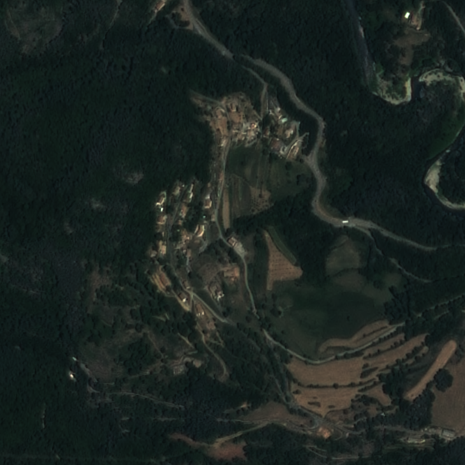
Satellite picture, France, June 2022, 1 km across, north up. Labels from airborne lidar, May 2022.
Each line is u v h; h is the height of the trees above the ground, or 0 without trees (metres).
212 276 0
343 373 0
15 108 16
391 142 18
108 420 22
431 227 23
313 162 0
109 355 0
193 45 20
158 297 19
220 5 8
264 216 17
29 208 12
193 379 14
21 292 8
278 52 18
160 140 7
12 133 16
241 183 0
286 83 0
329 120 16
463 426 0
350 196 24
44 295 9
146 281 15
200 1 11
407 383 0
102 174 12
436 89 8
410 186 7
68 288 17
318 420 0
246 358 17
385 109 21
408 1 0
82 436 21
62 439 20
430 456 12
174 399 13
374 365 0
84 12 18
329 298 0
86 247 20
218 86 13
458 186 18
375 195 22
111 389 13
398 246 22
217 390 14
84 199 13
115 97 20
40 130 17
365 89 22
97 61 21
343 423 0
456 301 13
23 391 21
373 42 20
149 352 15
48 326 30
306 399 0
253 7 18
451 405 0
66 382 11
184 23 13
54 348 20
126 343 0
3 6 18
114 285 12
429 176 0
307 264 9
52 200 12
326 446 7
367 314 0
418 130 19
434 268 17
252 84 8
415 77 0
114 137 20
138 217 21
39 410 11
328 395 0
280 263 0
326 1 14
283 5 13
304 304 0
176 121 18
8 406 16
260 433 8
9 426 15
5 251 11
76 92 41
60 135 15
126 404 8
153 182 18
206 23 15
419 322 16
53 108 29
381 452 12
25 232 9
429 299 20
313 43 23
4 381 22
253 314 7
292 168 12
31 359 20
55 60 20
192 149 11
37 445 16
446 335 16
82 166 12
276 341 16
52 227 10
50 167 19
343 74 26
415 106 14
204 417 20
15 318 25
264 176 0
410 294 16
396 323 16
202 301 0
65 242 15
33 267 8
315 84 23
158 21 16
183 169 19
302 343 0
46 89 19
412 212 26
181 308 0
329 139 8
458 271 22
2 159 18
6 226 9
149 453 19
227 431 26
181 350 0
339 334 0
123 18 7
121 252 17
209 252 7
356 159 11
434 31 10
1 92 22
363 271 10
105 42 18
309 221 24
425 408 13
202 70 19
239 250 0
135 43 22
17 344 16
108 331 0
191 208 6
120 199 12
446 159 11
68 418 19
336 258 0
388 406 0
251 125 0
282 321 0
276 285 0
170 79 22
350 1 0
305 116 11
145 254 16
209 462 25
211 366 11
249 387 14
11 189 20
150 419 9
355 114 23
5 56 16
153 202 13
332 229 16
